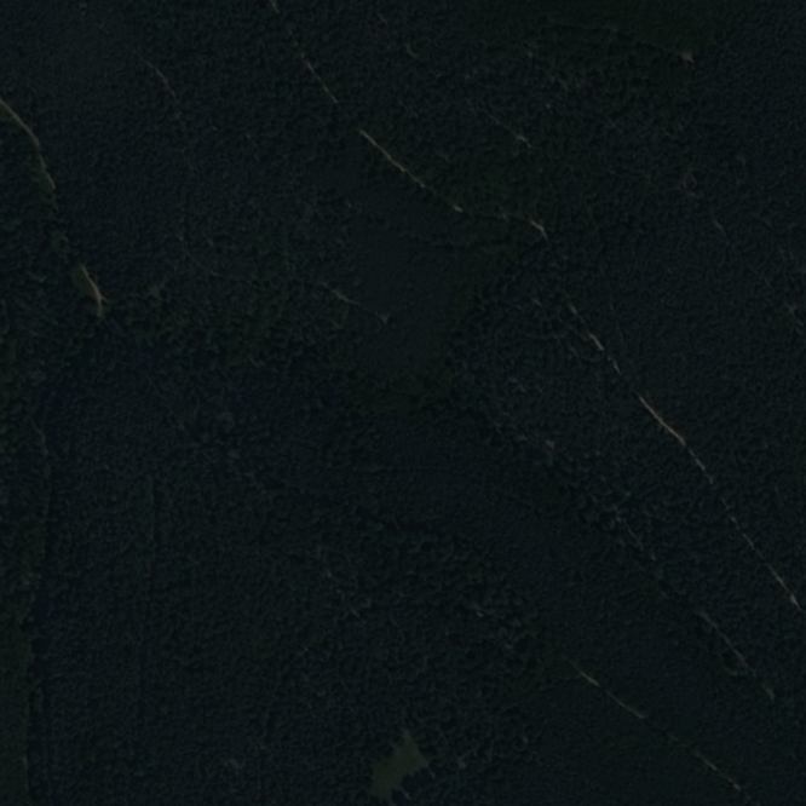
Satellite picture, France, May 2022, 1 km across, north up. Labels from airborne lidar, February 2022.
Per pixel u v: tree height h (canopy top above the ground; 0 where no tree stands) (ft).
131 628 77
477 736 90
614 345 66
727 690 69
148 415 84
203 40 85
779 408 72
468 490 69
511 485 69
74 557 93
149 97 75
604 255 69
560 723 42
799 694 76
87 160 97
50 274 105
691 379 64
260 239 68
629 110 81
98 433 81
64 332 104
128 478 81
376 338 51
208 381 98
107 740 76
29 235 104
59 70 65
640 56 80
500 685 72
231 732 86
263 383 52
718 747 63
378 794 0
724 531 77
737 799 43
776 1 61
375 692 84
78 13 56
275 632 61
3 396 99
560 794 47
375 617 90
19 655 84
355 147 49
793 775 69
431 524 28
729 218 54
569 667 52
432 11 67
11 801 84
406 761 0
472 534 35
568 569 58
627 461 69
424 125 78
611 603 71
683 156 56
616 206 74
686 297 69
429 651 86
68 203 65
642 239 76
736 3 51
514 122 85
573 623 66
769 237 64
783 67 68
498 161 81
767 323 78
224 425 89
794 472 83
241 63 80
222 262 72
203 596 83
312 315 83
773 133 68
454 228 51
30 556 109
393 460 63
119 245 73
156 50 63
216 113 76
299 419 70
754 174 65
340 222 71
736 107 67
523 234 57
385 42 77
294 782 78
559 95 93
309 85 75
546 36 59
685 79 68
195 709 82
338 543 93
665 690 64
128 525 87
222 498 89
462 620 96
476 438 57
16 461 103
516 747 67
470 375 38
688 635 50
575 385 76
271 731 84
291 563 89
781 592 83
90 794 115
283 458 38
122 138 75
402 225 50
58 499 57
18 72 69
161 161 83
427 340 62
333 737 82
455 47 69
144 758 73
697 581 91
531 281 80
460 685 85
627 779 68
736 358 71
